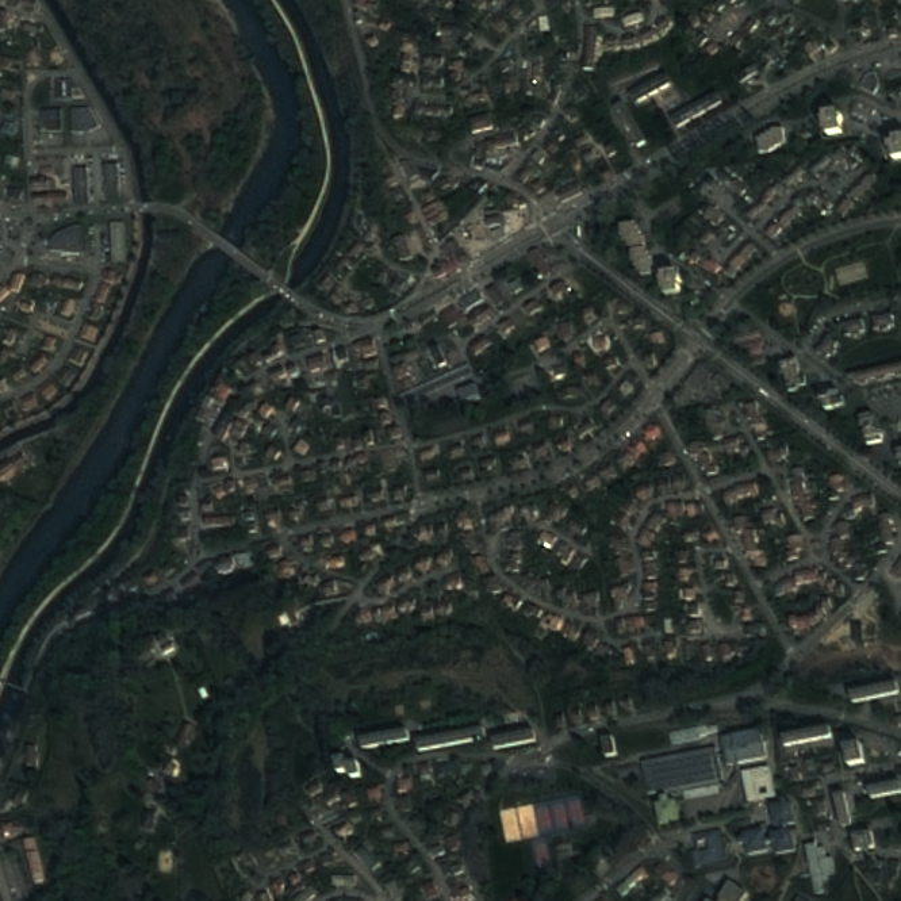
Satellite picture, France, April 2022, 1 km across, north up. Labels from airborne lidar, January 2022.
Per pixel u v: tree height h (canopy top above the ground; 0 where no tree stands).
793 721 12
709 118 7
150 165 18
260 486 0
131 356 18
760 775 0
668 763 0
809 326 6
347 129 22
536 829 0
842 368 0
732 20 0
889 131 0
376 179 13
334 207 0
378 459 0
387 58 8
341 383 0
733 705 0
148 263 0
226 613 19
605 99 15
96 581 8
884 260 0
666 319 0
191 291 0
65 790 0
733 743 0
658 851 0
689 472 0
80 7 6
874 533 0
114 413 0
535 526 0
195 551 0
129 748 29
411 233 0
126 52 9
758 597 0
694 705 0
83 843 26
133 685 29
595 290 0
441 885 0
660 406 0
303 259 0
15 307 0
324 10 17
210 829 16
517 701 0
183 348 15
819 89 6
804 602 8
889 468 13
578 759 0
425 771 0
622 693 0
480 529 0
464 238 0
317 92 0
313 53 0
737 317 0
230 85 0
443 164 0
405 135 0
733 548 0
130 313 0
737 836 0
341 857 0
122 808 0
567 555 0
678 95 0
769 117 0
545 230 0
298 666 26
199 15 0
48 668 11
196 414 11
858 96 0
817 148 12
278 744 17
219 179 18
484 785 0
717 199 0
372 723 0
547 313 0
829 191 0
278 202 18
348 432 0
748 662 8
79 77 0
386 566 8
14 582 0
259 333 14
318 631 24
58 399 7
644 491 0
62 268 0
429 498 0
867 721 0
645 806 0
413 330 0
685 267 0
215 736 5
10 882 0
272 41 21
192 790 7
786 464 0
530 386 0
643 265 0
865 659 0
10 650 16
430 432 0
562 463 0
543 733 0
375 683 0
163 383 20
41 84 0
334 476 6
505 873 0
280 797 20
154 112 13
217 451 0
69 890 21
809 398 0
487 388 13
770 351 0
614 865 23
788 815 0
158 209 0
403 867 6
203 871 0
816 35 9
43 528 0
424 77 6
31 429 0
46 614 0
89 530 19
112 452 0
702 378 0
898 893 0
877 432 0
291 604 18
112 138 0
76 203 0
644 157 0
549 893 21
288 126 0
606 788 0
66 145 0
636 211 0
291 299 0
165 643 0
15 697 13
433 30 8
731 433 0
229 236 0
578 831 16
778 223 0
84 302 0
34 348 0
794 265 0
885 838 13
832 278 0
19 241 0
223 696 8
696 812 0
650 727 0
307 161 15
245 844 23
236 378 10
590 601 0
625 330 0
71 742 0
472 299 0
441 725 8
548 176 0
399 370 0
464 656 0
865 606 0
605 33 9
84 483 0
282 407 0
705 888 0
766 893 0
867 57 0
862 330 0
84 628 9
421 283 0
